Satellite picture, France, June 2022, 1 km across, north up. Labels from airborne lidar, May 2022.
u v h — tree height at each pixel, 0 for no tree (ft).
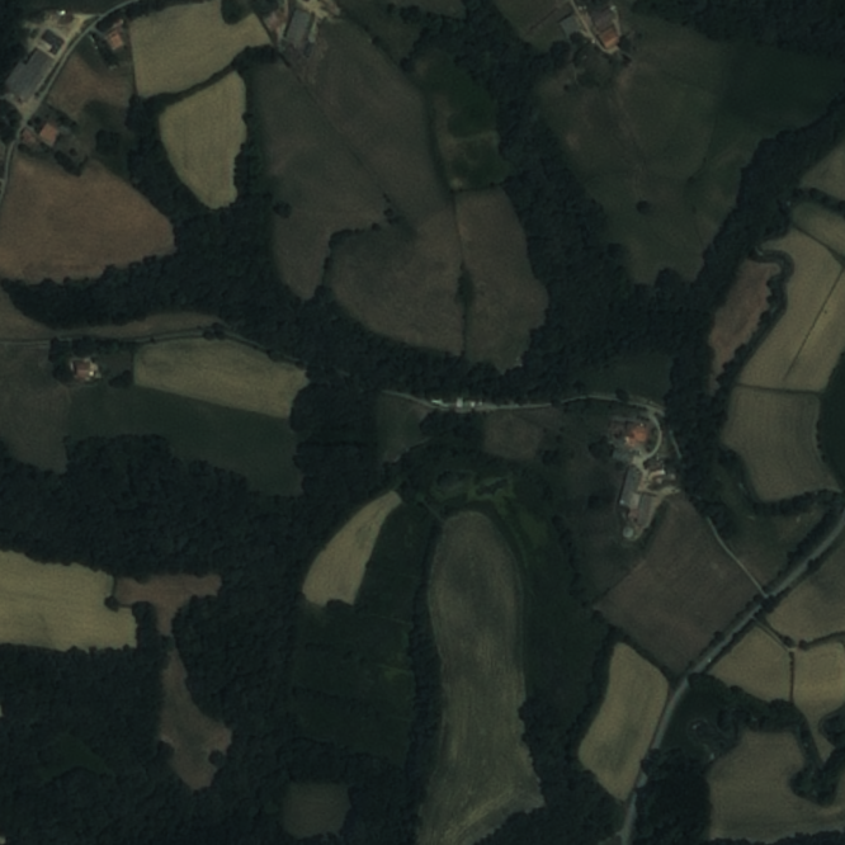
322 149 0
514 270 0
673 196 0
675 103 0
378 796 66
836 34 92
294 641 80
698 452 98
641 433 0
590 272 68
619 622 0
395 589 0
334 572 0
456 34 70
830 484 0
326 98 0
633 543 0
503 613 0
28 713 66
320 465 74
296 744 72
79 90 0
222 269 83
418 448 22
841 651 0
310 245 0
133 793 35
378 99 0
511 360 0
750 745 0
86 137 0
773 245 0
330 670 0
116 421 0
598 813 25
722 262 73
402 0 0
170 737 0
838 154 0
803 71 0
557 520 39
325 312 66
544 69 48
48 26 0
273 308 83
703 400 94
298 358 52
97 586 0
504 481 0
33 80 0
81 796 88
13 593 0
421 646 73
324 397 74
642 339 71
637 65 0
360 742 0
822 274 0
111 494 109
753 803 0
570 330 73
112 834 52
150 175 79
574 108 0
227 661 37
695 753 0
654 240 0
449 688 0
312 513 49
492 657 0
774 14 79
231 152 0
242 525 97
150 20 0
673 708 0
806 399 0
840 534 0
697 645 0
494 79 72
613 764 0
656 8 42
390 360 60
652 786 72
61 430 0
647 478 0
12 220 0
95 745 62
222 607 33
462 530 0
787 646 33
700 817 77
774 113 0
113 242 0
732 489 0
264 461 0
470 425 71
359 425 59
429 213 0
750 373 0
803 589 0
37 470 61
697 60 0
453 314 0
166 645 71
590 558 0
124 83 0
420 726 34
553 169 83
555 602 0
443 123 0
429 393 49
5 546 58
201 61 0
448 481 36
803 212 0
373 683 0
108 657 65
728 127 0
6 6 32
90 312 70
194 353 0
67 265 0
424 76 0
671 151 0
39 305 64
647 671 0
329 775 82
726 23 76
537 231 70
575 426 0
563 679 0
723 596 0
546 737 78
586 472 0
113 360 0
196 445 0
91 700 86
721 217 0
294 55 0
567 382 65
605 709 0
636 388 0
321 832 0
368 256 0
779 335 0
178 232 59
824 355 0
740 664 0
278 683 48
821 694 0
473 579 0
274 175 0
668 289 76
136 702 83
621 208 0
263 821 59
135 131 61
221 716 27
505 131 32
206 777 0
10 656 57
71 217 0
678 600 0
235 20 18
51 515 77
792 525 0
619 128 0
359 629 0
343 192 0
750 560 0
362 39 0
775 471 0
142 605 37
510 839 67
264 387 0
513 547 0
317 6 0
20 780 70
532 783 0
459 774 0
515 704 0
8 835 44
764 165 87
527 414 0
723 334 0
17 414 0
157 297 69
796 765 0
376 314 0
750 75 0
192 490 93
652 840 59
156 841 84
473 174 0
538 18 0
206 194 0
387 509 0
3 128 51
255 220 80
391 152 0
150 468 92
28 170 0
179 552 38
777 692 0
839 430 0
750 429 0
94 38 34
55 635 0
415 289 0
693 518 0
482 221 0
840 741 40
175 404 0
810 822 0
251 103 18
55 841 79
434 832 0
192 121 0
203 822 86
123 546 77
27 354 0
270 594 80
